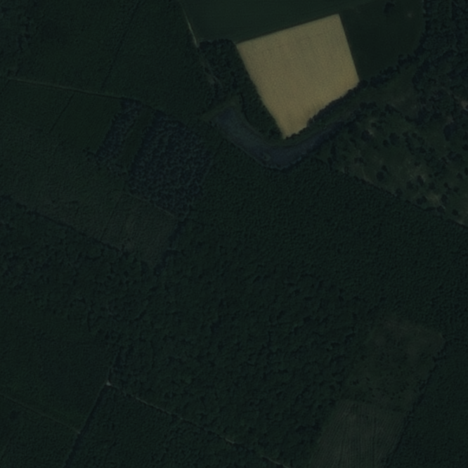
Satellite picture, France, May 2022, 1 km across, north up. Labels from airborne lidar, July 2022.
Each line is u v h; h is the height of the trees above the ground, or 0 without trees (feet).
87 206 25
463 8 54
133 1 27
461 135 88
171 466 65
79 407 47
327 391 93
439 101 75
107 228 18
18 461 18
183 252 87
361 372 0
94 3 30
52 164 19
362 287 66
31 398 35
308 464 63
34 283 83
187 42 49
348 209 74
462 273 61
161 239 21
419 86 90
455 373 52
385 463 24
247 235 62
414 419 47
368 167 0
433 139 0
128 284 87
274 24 0
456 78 90
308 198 63
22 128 19
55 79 29
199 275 65
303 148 0
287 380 84
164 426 66
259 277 76
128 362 78
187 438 71
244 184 64
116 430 66
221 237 74
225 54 80
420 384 38
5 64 92
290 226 72
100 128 22
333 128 0
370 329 79
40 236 83
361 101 0
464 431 53
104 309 84
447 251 70
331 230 66
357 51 0
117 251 75
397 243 69
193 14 0
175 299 95
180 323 110
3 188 19
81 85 31
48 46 26
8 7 93
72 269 88
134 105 103
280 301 75
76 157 19
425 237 69
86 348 59
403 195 68
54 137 19
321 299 78
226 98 57
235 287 86
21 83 18
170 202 114
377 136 0
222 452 76
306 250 60
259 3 0
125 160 31
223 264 61
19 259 86
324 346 95
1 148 22
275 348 98
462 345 62
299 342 80
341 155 80
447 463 49
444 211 84
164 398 82
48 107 17
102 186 18
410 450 52
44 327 44
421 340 0
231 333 96
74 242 96
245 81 76
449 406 55
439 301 67
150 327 75
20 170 18
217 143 53
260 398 69
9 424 22
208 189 66
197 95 63
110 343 44
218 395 87
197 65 56
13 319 47
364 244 70
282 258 65
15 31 95
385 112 0
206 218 69
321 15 0
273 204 62
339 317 92
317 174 65
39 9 80
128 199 23
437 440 49
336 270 60
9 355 46
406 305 66
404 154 0
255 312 91
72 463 62
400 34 0
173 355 93
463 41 108
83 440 67
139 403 56
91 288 78
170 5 43
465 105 0
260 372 89
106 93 34
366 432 0
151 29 52
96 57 27
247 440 73
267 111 51
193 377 81
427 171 0
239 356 103
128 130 76
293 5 0
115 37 32
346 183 65
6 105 19
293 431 96
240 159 56
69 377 61
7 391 26
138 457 63
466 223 0
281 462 57
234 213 68
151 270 89
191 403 92
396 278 63
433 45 87
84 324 43
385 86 103
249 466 104
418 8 0
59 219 19
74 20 31
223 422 85
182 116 61
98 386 57
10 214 92
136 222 19
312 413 102
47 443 22
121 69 55
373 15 0
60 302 76
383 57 0
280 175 60
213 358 106
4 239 89
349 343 79
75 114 22
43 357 38
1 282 72
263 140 0
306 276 84
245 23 0
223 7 0
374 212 69
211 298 87
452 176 0
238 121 0
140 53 46
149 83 55
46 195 18
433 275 66
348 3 0
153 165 107
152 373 101
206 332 109
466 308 67
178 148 102
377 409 0
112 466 58
